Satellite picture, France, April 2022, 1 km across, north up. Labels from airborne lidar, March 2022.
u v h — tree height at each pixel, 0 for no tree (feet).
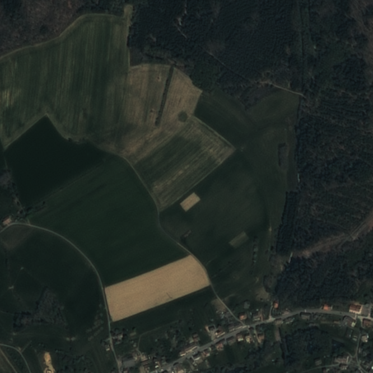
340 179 78
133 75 0
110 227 0
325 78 44
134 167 0
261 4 72
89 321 0
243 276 0
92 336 0
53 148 0
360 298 48
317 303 66
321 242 73
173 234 0
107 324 0
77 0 41
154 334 0
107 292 0
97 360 0
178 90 0
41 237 0
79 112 0
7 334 0
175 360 0
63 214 0
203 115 0
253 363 0
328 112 21
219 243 0
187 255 0
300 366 34
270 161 0
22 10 37
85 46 0
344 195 29
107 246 0
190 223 0
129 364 0
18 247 0
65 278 0
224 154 0
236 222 0
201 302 0
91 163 0
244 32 77
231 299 0
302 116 49
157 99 0
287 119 0
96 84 0
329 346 47
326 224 24
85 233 0
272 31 86
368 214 31
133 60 0
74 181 0
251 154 0
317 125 41
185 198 0
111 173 0
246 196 0
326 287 61
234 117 0
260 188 0
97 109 0
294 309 49
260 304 0
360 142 34
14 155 0
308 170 57
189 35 81
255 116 0
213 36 70
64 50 0
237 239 0
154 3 60
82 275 0
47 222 0
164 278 0
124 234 0
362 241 43
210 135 0
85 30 0
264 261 0
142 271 0
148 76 0
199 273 0
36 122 0
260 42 88
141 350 0
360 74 76
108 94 0
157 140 0
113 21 0
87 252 0
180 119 0
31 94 0
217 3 48
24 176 0
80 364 0
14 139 0
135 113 0
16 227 0
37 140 0
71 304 0
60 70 0
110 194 0
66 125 0
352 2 46
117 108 0
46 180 0
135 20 51
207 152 0
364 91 66
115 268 0
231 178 0
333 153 26
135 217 0
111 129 0
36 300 0
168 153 0
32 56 0
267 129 0
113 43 0
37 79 0
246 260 0
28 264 0
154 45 41
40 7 45
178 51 86
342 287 60
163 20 61
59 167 0
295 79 58
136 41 73
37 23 36
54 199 0
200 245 0
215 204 0
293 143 0
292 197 40
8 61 0
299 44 71
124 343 22
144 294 0
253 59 77
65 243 0
